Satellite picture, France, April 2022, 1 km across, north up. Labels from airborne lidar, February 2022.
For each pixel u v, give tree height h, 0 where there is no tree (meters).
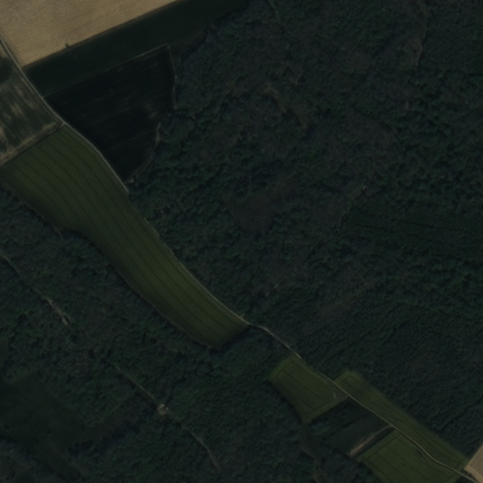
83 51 0
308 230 25
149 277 0
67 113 0
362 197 22
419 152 28
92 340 28
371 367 12
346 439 0
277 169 25
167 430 24
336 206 29
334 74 25
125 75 0
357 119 24
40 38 0
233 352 24
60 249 28
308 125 0
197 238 25
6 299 27
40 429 0
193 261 19
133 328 29
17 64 0
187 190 27
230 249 28
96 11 0
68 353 32
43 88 0
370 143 32
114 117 0
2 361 0
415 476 0
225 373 22
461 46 17
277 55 28
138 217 0
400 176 25
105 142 0
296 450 30
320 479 0
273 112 35
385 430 0
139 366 29
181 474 18
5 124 0
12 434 0
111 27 0
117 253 0
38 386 0
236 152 29
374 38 27
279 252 24
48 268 32
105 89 0
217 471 19
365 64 29
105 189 0
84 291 32
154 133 0
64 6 0
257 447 27
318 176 22
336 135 31
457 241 17
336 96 27
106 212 0
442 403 11
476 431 15
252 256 30
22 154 0
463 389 12
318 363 19
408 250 13
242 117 26
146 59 0
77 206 0
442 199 30
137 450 31
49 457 0
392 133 29
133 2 0
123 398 20
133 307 31
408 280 29
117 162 0
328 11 28
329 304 26
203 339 0
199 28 0
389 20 8
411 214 17
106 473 33
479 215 12
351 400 0
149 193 25
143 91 0
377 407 0
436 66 16
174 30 0
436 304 21
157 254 0
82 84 0
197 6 0
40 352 28
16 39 0
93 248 22
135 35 0
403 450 0
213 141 27
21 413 0
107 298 30
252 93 28
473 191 29
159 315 20
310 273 29
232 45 29
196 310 0
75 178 0
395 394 10
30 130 0
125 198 0
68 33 0
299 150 23
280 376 0
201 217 28
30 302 31
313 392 0
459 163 29
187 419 20
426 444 0
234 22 29
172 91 0
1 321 28
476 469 0
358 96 23
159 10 0
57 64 0
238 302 27
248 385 21
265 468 30
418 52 26
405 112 23
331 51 21
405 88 31
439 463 0
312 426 7
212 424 18
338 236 27
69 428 0
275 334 15
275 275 30
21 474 0
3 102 0
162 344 29
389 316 21
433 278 27
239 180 24
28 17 0
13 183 0
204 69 26
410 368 9
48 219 0
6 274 30
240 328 0
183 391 31
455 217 15
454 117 29
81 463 29
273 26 24
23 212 24
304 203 30
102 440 0
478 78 19
